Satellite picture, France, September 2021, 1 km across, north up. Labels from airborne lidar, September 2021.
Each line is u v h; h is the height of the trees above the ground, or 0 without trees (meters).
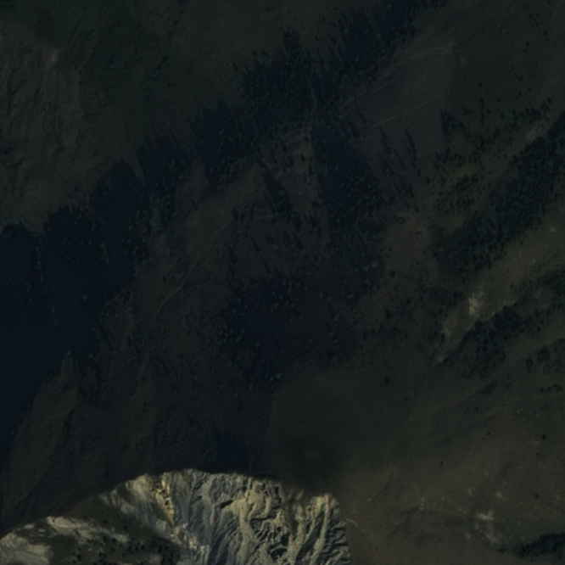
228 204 0
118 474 0
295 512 0
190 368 0
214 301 0
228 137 10
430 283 0
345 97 0
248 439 0
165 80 0
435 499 0
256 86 10
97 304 0
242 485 0
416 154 11
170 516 0
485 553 0
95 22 0
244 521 0
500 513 0
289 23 0
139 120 0
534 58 0
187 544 0
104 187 0
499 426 0
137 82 0
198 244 0
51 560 0
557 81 0
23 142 0
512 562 0
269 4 0
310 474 0
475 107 0
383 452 0
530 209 11
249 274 0
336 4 0
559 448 0
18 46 0
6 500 0
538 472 0
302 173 0
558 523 0
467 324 0
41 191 0
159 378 0
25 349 0
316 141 7
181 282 0
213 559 0
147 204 7
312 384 0
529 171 13
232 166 7
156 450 0
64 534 0
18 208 0
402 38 12
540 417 0
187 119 0
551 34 0
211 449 0
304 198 0
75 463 0
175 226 0
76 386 0
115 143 0
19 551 0
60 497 0
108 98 0
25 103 0
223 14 0
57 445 0
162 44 0
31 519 0
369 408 0
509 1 0
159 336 0
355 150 0
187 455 0
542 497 0
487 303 0
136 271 0
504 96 0
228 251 0
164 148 0
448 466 0
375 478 0
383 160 0
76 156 0
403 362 0
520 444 0
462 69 0
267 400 0
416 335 0
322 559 0
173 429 0
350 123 0
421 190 0
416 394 0
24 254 0
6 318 11
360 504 0
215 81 0
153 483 0
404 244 0
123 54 0
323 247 0
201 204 0
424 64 0
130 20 0
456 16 0
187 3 0
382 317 0
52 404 0
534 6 0
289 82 11
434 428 0
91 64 0
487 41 0
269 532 0
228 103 0
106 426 0
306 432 0
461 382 0
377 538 0
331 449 0
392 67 0
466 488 0
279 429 0
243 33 0
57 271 0
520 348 0
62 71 0
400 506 0
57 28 0
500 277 0
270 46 0
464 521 0
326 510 0
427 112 0
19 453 0
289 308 10
